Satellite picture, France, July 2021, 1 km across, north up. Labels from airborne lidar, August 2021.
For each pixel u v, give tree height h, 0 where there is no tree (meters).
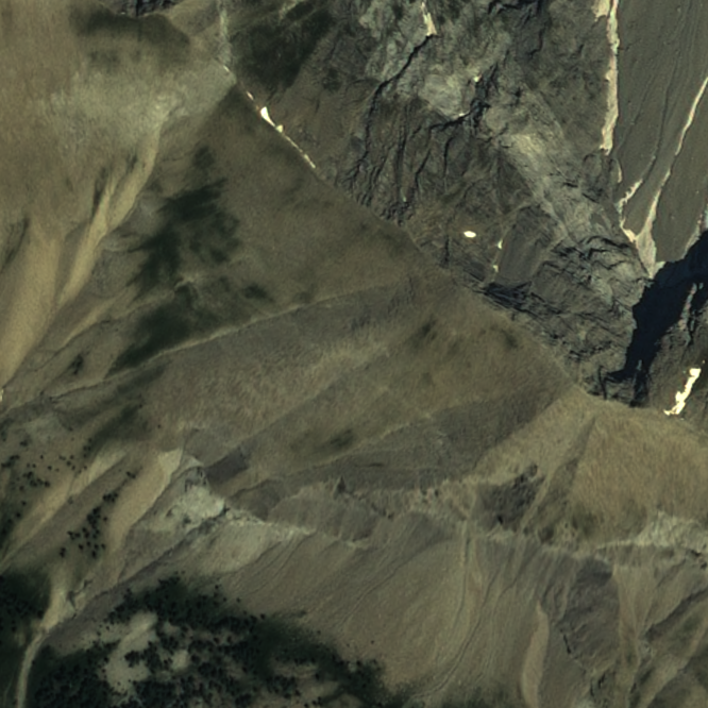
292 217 0
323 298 0
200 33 0
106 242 0
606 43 0
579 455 0
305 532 0
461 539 0
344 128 0
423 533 0
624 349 0
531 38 0
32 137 0
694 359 0
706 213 0
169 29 0
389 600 0
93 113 0
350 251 0
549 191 0
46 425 0
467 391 0
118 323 0
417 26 0
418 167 0
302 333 0
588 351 0
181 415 0
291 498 0
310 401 0
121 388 0
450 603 0
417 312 0
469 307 0
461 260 0
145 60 0
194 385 0
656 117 0
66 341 0
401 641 0
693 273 0
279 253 0
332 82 0
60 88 0
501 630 0
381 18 0
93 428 0
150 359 0
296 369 0
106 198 0
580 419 0
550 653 0
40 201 0
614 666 0
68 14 0
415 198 0
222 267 0
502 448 0
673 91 0
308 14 0
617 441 0
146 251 0
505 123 0
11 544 0
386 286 0
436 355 0
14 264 0
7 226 0
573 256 0
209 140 0
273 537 0
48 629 0
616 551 0
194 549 0
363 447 0
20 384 0
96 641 7
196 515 0
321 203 0
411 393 0
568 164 0
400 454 0
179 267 0
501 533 0
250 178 0
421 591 0
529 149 0
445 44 0
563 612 0
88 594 0
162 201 0
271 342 0
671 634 0
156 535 0
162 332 0
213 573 0
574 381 0
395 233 0
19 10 0
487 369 0
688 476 0
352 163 0
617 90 0
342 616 0
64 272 0
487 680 0
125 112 0
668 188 0
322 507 0
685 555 0
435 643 0
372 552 0
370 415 0
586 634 0
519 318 0
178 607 7
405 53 0
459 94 0
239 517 0
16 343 0
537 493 0
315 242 0
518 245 0
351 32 0
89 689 11
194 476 0
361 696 0
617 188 0
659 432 0
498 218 0
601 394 0
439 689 0
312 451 0
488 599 0
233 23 0
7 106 0
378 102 0
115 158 0
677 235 0
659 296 0
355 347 0
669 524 0
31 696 0
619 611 0
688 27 0
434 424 0
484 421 0
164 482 0
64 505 0
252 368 0
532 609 0
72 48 0
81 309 0
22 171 0
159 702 10
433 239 0
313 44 0
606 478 0
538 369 0
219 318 0
